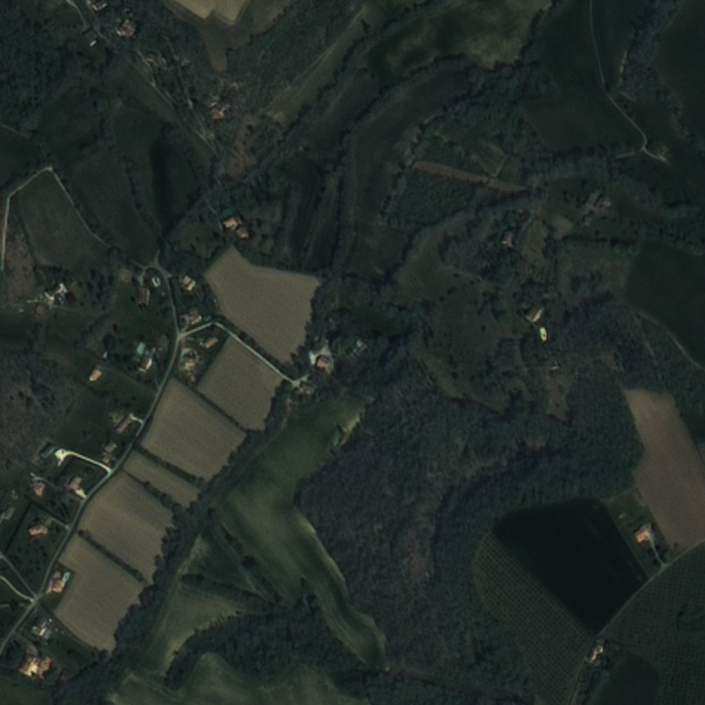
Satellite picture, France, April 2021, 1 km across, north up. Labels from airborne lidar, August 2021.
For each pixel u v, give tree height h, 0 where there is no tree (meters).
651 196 21
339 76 16
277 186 32
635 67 14
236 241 8
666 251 0
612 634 0
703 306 0
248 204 25
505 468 11
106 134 16
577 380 8
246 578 0
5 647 0
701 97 0
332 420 0
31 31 21
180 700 0
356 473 17
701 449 0
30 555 10
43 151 14
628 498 0
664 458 0
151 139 0
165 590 16
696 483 0
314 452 0
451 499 11
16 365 16
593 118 0
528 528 0
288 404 23
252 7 0
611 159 15
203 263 17
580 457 24
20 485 7
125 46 17
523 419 23
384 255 0
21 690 0
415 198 6
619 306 20
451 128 0
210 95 6
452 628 13
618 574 0
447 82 0
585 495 11
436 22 0
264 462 0
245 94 11
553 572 0
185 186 0
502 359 17
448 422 18
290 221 20
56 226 0
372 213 0
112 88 16
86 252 0
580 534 0
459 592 18
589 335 13
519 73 19
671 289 0
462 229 0
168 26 13
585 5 0
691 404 13
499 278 15
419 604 8
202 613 0
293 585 0
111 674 7
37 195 0
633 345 9
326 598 0
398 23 12
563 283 0
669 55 0
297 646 20
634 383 9
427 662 13
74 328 0
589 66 0
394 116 0
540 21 13
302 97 0
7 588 0
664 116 0
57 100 16
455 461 8
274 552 0
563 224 0
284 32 13
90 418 0
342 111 0
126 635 20
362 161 0
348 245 13
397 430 10
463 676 8
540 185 0
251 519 0
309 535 0
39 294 0
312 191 0
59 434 0
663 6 21
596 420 24
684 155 0
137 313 0
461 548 17
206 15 0
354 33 0
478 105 16
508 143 14
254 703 0
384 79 0
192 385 18
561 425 22
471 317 0
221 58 0
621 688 0
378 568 8
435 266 0
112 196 0
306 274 7
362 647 0
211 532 0
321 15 20
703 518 0
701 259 0
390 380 11
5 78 22
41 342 25
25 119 17
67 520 24
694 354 0
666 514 0
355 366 24
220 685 0
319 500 15
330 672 12
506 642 15
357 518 9
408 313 13
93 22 20
